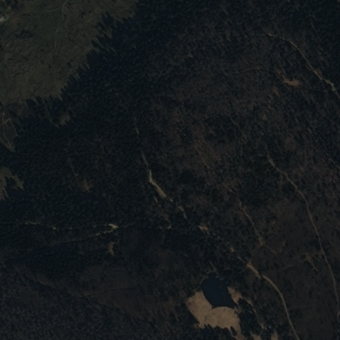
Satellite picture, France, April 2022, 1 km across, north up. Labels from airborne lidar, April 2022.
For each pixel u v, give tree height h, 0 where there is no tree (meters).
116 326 26
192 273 20
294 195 6
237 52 31
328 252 25
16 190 0
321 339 11
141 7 8
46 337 28
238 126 10
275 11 39
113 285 17
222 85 23
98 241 13
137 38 17
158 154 26
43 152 25
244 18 30
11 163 31
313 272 12
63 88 0
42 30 0
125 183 33
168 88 33
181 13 28
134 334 14
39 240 17
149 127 19
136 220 33
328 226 9
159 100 13
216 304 0
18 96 0
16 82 0
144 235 13
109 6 0
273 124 23
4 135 0
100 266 16
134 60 31
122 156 15
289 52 8
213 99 21
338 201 11
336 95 14
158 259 14
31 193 20
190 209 7
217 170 25
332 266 16
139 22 17
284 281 10
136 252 9
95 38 0
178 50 9
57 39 0
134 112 20
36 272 25
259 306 17
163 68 23
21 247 19
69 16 0
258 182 30
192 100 23
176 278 12
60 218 33
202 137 21
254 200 11
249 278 19
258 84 23
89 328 25
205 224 12
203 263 17
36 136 24
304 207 8
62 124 0
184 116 21
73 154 17
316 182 18
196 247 11
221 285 0
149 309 18
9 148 0
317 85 26
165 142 26
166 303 16
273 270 10
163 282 15
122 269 18
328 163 21
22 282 14
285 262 12
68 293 18
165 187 6
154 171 28
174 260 14
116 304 15
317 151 20
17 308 14
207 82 23
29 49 0
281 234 9
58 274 27
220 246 8
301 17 33
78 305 22
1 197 0
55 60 0
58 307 13
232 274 18
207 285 0
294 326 6
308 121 8
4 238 9
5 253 16
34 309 25
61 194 35
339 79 19
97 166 32
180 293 16
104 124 16
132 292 15
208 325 0
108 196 34
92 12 0
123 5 0
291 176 23
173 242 17
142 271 17
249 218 24
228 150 22
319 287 9
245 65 27
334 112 21
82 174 27
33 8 0
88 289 14
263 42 28
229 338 23
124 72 18
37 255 25
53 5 0
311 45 23
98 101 24
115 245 6
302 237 10
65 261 26
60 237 16
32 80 0
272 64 19
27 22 0
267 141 24
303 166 21
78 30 0
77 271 18
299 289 14
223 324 0
